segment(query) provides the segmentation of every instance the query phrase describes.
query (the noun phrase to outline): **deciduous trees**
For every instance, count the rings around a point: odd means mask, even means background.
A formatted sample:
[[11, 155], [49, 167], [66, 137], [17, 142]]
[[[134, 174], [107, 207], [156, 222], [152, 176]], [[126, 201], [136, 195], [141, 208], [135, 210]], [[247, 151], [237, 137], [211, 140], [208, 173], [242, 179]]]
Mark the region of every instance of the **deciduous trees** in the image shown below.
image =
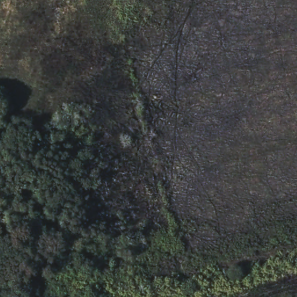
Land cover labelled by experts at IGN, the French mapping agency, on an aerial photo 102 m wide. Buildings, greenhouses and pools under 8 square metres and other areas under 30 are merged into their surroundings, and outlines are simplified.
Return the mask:
[[118, 256], [132, 261], [132, 252], [126, 245], [133, 244], [130, 236], [106, 236], [103, 233], [104, 223], [92, 224], [86, 229], [81, 226], [81, 220], [85, 219], [86, 213], [85, 210], [79, 209], [81, 198], [72, 184], [66, 181], [67, 176], [73, 176], [74, 168], [65, 162], [68, 153], [53, 154], [42, 148], [34, 153], [32, 144], [35, 139], [41, 140], [41, 136], [34, 129], [30, 119], [13, 116], [9, 123], [3, 122], [7, 102], [0, 99], [0, 297], [45, 297], [44, 292], [48, 283], [43, 277], [45, 267], [52, 273], [63, 271], [66, 266], [72, 268], [75, 253], [84, 256], [90, 267], [104, 270], [109, 266], [114, 267]]

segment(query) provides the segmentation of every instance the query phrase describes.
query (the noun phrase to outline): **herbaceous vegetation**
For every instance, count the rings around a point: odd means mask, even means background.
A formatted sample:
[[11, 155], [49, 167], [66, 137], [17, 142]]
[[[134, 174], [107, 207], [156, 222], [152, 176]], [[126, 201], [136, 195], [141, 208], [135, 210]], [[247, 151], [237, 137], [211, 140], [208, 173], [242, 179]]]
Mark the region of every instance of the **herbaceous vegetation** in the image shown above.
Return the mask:
[[85, 219], [81, 220], [81, 226], [86, 229], [92, 224], [104, 223], [103, 233], [106, 236], [130, 236], [133, 244], [126, 245], [132, 252], [132, 261], [118, 256], [114, 267], [109, 266], [104, 270], [90, 267], [90, 277], [94, 282], [90, 289], [96, 297], [99, 297], [108, 296], [118, 287], [129, 290], [128, 283], [124, 282], [125, 277], [132, 281], [135, 292], [139, 290], [136, 276], [142, 280], [146, 278], [148, 282], [153, 282], [154, 277], [167, 277], [186, 283], [189, 277], [200, 275], [200, 269], [207, 268], [209, 263], [212, 263], [213, 268], [219, 268], [219, 271], [227, 270], [223, 277], [229, 282], [230, 288], [242, 288], [245, 285], [244, 278], [251, 273], [255, 263], [263, 267], [270, 255], [277, 258], [278, 254], [290, 254], [294, 251], [297, 255], [297, 0], [0, 0], [0, 99], [7, 102], [3, 122], [9, 123], [13, 116], [30, 119], [34, 129], [41, 136], [48, 133], [50, 135], [45, 129], [45, 123], [51, 119], [59, 121], [58, 114], [67, 109], [74, 113], [74, 118], [81, 116], [86, 124], [95, 125], [93, 142], [85, 145], [85, 151], [92, 154], [90, 160], [95, 161], [95, 164], [104, 162], [104, 167], [97, 178], [101, 180], [100, 186], [97, 189], [86, 189], [73, 176], [67, 176], [66, 181], [72, 184], [81, 198], [79, 209], [85, 210], [86, 213]]
[[220, 291], [218, 296], [211, 297], [297, 297], [297, 275], [258, 284], [255, 288], [247, 288], [232, 295]]

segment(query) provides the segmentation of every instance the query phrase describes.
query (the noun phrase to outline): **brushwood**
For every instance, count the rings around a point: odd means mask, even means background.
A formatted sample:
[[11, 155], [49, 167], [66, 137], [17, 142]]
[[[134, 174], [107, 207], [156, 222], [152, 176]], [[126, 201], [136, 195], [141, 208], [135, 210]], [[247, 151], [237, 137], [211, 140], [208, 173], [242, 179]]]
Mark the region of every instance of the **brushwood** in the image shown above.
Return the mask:
[[128, 283], [129, 290], [118, 287], [108, 296], [99, 297], [211, 297], [218, 296], [220, 291], [232, 295], [247, 288], [255, 288], [258, 284], [297, 275], [297, 255], [294, 251], [290, 254], [278, 254], [277, 258], [270, 255], [263, 267], [255, 263], [251, 273], [244, 278], [245, 285], [242, 288], [230, 288], [229, 282], [223, 277], [227, 270], [219, 271], [219, 268], [213, 268], [212, 263], [209, 263], [207, 268], [200, 269], [200, 275], [189, 277], [186, 283], [167, 277], [154, 277], [153, 282], [148, 282], [146, 278], [142, 280], [136, 276], [139, 290], [135, 292], [132, 281], [125, 277], [124, 282]]
[[90, 267], [84, 256], [75, 253], [72, 268], [66, 266], [63, 271], [52, 273], [45, 267], [43, 277], [48, 283], [44, 292], [45, 297], [96, 297], [90, 289], [94, 282], [90, 277]]
[[85, 145], [93, 142], [95, 125], [86, 124], [81, 116], [74, 118], [74, 113], [67, 109], [58, 114], [59, 121], [51, 119], [45, 123], [45, 129], [50, 135], [48, 133], [41, 136], [41, 140], [35, 139], [32, 144], [34, 153], [42, 148], [53, 154], [68, 153], [65, 162], [74, 168], [73, 176], [86, 189], [97, 189], [100, 186], [101, 180], [97, 178], [104, 167], [104, 162], [95, 164], [95, 161], [90, 160], [92, 154], [85, 151]]

